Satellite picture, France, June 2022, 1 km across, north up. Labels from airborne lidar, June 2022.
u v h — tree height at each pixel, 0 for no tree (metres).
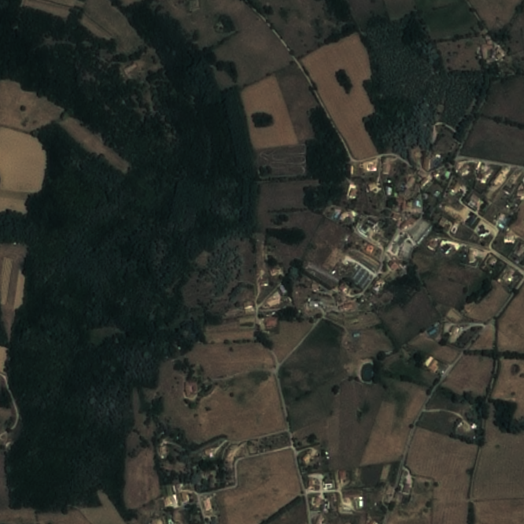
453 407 0
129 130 8
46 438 8
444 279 0
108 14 0
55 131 6
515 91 0
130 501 0
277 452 0
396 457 0
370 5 0
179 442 8
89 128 6
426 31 12
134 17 11
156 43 10
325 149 12
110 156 0
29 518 0
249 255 0
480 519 0
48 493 7
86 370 9
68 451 7
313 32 0
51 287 7
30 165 0
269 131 0
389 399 0
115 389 16
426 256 0
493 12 0
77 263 15
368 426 0
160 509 0
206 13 0
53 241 10
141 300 8
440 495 0
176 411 0
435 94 10
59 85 8
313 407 0
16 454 8
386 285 7
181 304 7
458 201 0
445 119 7
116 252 23
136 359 9
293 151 0
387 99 7
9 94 0
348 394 0
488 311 0
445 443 0
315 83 7
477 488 0
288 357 0
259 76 0
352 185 0
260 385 0
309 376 0
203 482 14
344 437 0
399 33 7
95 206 10
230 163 11
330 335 0
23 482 8
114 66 6
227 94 17
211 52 11
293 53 8
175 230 14
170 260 18
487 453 0
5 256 0
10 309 0
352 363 0
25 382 8
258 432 0
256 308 0
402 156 12
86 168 14
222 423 0
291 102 0
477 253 0
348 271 0
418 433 0
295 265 12
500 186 0
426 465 0
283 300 0
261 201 0
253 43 0
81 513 0
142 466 0
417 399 0
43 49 9
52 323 8
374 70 9
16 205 0
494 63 6
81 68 6
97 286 13
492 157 0
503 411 13
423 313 0
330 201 11
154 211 10
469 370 0
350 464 0
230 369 0
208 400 0
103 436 9
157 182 12
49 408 11
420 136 14
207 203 15
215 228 7
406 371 0
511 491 0
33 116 0
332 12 8
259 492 0
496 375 6
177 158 10
